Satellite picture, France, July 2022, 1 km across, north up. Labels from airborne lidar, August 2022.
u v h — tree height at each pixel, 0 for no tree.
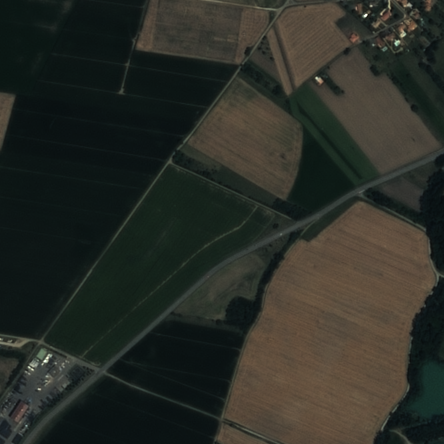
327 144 0
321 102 0
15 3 0
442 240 17
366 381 0
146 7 0
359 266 0
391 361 0
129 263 0
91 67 0
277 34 0
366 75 0
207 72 0
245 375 0
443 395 0
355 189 0
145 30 0
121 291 0
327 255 0
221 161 0
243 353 0
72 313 0
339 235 0
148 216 0
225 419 0
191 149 0
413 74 0
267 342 0
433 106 0
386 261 0
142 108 0
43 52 0
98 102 0
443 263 15
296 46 0
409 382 13
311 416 0
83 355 0
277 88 9
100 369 0
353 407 0
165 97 0
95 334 0
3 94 0
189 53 0
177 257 0
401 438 0
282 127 0
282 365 0
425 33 7
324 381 0
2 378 0
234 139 0
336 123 0
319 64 0
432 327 15
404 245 0
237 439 0
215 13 0
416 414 0
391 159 0
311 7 0
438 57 0
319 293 0
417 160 0
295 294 0
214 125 0
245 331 8
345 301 0
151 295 0
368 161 0
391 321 0
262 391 0
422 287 0
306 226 0
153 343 0
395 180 0
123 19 0
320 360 0
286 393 0
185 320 0
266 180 0
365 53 0
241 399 0
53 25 0
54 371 0
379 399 0
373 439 0
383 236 0
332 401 0
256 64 0
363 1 7
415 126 0
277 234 0
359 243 0
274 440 0
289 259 0
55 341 0
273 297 0
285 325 0
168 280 0
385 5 6
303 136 0
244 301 6
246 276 0
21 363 7
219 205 0
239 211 0
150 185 0
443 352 0
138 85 0
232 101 0
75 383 6
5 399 0
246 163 0
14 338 0
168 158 0
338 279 0
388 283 0
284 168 0
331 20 0
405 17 0
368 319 0
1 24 0
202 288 0
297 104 0
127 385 0
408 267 0
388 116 0
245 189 0
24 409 0
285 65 0
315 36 0
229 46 0
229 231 0
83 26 0
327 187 0
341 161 0
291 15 0
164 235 0
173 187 0
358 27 0
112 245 0
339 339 0
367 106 0
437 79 20
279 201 9
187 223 0
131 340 0
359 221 0
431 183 7
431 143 0
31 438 0
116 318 0
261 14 0
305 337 0
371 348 0
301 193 0
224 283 0
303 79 0
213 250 0
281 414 0
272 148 0
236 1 0
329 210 0
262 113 0
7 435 0
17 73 0
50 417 0
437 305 19
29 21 0
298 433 0
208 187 0
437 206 25
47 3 0
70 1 0
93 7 0
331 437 0
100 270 0
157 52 0
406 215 7
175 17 0
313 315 0
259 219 0
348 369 0
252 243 0
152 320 0
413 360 9
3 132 0
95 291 0
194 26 0
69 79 0
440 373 0
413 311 0
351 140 0
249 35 0
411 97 0
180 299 0
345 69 0
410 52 0
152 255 0
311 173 0
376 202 15
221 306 0
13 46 0
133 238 0
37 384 0
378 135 0
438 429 22
